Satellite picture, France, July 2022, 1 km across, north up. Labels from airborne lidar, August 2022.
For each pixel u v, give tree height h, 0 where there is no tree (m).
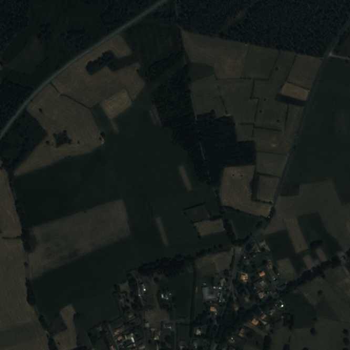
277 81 0
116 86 0
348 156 0
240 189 0
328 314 0
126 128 0
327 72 0
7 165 14
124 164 0
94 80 0
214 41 0
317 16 19
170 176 0
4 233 0
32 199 0
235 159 17
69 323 0
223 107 0
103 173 0
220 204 9
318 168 0
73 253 0
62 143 7
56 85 0
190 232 0
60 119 0
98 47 0
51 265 0
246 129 0
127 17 21
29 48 0
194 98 0
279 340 0
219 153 14
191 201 0
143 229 0
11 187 10
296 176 0
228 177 0
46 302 0
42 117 0
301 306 0
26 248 15
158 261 12
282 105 0
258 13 22
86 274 0
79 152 0
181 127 9
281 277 0
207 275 0
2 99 21
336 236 0
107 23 18
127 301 12
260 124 0
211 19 19
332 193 0
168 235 0
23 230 13
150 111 0
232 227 17
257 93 0
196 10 23
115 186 0
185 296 0
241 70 0
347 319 0
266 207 0
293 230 0
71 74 0
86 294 0
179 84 8
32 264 0
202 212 0
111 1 19
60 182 0
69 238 0
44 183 0
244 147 13
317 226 0
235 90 0
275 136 0
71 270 0
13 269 0
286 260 0
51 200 0
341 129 0
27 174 0
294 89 0
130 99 0
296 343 0
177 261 25
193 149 7
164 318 0
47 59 7
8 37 28
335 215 0
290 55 0
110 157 0
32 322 0
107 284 0
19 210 22
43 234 0
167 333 0
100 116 0
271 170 0
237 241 15
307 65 0
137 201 0
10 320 0
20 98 17
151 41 0
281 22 23
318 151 0
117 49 0
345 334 13
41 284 0
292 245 0
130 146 0
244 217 0
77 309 0
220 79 0
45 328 11
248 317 19
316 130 0
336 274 0
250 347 0
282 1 22
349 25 0
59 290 0
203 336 15
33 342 0
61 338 0
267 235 0
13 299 0
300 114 0
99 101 0
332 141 0
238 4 19
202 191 0
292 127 0
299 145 0
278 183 0
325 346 0
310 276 22
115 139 0
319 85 0
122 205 0
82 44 18
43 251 0
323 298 0
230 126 13
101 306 0
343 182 0
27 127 11
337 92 0
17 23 19
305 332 0
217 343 14
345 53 0
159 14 18
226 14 19
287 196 0
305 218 0
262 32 21
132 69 0
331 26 21
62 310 0
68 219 0
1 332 0
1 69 0
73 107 0
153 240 0
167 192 0
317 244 17
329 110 0
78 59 0
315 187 0
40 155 0
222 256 0
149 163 0
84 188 0
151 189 0
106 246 0
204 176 8
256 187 0
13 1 20
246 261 0
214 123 14
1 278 0
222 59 0
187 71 16
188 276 0
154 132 0
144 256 0
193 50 0
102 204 0
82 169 0
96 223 0
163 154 0
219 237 0
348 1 18
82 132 0
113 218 0
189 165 0
